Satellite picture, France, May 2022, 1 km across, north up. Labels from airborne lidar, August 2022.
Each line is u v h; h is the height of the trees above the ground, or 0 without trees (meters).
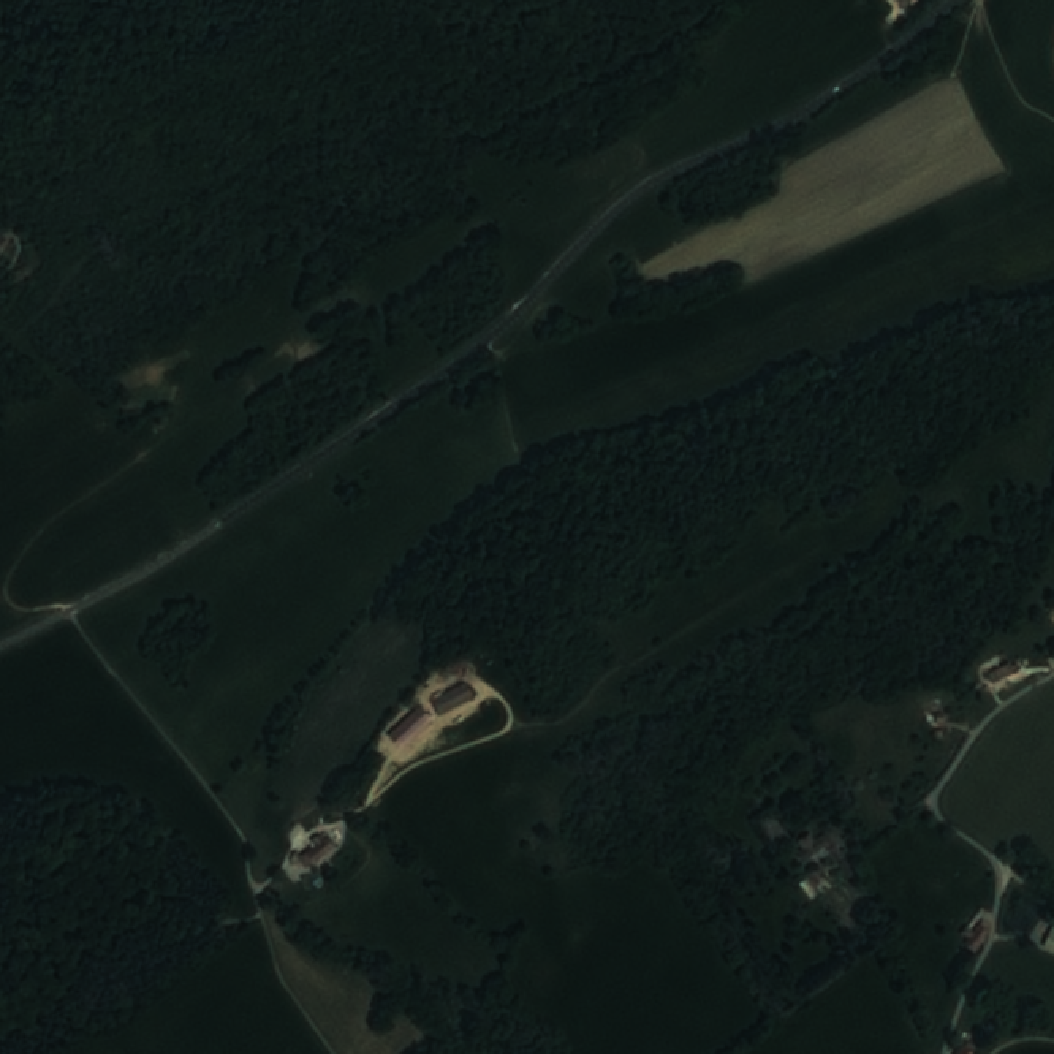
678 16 22
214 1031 0
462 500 0
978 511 0
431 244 0
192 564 0
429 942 0
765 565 0
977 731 0
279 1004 0
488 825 0
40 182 13
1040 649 14
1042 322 25
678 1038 0
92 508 0
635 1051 0
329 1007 0
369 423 0
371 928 0
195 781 0
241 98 15
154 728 0
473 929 11
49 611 0
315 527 0
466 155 26
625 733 7
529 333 0
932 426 20
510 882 0
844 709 0
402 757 0
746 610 0
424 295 18
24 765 0
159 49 24
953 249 0
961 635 14
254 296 0
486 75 18
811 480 16
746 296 0
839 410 17
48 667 0
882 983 0
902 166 0
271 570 0
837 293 0
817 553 0
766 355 0
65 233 9
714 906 23
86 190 6
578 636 6
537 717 8
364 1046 0
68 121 18
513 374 0
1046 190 0
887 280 0
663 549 12
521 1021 21
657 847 19
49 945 28
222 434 0
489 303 13
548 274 0
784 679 18
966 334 21
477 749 0
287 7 17
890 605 19
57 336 10
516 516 24
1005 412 18
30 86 21
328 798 15
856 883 19
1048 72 0
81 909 20
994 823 0
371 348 15
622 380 0
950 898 0
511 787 0
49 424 0
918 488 13
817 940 16
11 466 0
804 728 19
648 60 25
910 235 0
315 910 0
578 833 14
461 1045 22
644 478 11
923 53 16
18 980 21
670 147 0
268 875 0
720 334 0
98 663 0
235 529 0
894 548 19
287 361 0
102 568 0
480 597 22
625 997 0
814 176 0
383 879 0
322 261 20
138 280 7
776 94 0
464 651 18
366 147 12
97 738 0
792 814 21
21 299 9
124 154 6
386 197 27
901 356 20
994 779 0
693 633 0
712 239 0
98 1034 17
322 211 21
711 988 0
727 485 19
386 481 0
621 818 15
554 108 15
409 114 11
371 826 17
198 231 11
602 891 0
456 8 17
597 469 19
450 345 10
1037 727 0
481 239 23
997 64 0
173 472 0
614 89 28
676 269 0
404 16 21
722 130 0
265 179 13
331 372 7
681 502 13
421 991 23
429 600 18
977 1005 25
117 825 22
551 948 0
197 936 22
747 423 23
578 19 18
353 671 0
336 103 10
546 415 0
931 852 0
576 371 0
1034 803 0
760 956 30
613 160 0
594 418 0
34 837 25
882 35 0
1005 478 0
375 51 12
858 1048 0
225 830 0
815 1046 0
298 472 0
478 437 0
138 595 0
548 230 0
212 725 0
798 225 0
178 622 18
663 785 23
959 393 17
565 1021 0
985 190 0
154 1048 0
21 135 12
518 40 15
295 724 8
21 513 0
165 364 0
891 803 13
